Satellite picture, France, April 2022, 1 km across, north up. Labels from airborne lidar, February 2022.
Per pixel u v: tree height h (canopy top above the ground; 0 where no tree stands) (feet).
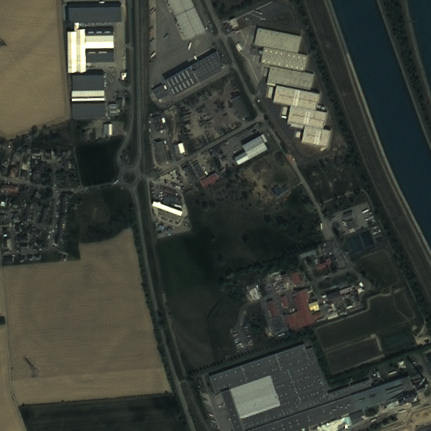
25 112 0
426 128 0
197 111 0
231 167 0
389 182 0
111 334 0
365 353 0
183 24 0
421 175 0
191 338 0
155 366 0
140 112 0
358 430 0
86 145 0
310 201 65
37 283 0
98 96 0
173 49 0
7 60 0
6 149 0
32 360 0
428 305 58
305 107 0
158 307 0
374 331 0
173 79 0
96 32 0
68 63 0
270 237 0
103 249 0
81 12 0
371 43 0
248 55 0
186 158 0
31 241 0
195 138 0
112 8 0
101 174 0
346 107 0
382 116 0
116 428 0
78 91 0
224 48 0
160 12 0
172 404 0
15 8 0
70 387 0
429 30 0
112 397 0
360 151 0
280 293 0
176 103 0
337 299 0
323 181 0
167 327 53
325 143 0
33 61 0
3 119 0
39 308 0
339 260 0
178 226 0
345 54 0
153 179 0
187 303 0
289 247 0
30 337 0
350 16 0
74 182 0
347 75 0
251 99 0
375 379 0
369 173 0
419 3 0
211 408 0
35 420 0
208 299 0
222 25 0
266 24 0
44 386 0
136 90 0
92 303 0
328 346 0
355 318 0
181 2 0
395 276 0
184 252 0
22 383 0
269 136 0
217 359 0
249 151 0
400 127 0
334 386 33
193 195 0
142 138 0
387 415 0
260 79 0
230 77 0
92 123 0
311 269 0
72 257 0
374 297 0
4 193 0
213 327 0
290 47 0
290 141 0
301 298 0
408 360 0
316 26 0
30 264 0
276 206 0
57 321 0
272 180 0
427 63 0
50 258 0
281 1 0
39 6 0
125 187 0
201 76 0
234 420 0
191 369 0
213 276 0
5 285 0
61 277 0
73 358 0
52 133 0
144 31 0
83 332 0
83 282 0
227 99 0
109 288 0
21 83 0
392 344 0
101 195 0
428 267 0
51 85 0
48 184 43
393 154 0
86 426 0
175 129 0
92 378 0
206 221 0
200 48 0
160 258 0
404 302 0
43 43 0
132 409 0
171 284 0
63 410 0
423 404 0
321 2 0
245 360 0
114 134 0
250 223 0
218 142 0
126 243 0
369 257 0
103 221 0
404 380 0
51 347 0
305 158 0
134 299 0
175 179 0
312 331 34
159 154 0
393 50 0
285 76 0
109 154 0
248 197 61
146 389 0
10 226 0
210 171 0
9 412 0
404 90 0
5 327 0
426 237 0
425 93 0
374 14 0
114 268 0
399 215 0
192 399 0
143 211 0
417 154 0
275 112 0
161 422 0
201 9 0
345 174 0
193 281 0
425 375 0
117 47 0
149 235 0
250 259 0
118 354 0
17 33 0
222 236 0
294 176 0
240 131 0
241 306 0
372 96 0
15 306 0
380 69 0
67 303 0
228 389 0
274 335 0
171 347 54
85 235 0
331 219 0
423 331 0
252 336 0
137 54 0
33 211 0
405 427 0
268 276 0
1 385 0
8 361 0
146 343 0
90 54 0
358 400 0
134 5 0
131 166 0
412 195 0
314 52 46
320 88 0
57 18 0
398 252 65
